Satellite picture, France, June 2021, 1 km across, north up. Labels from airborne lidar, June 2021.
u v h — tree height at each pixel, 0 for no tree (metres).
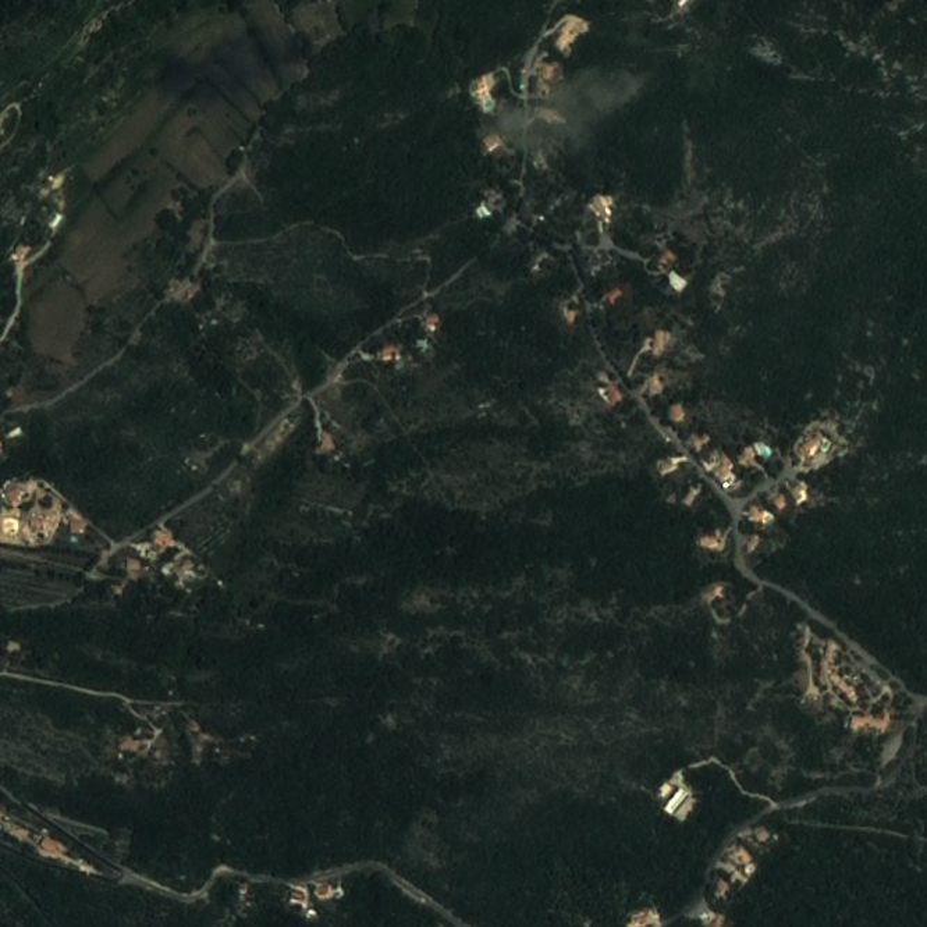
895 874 9
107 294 0
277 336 6
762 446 0
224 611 6
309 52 9
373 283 7
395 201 9
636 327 12
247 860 6
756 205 6
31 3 12
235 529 0
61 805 7
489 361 5
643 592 7
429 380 0
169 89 0
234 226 7
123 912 6
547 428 6
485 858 7
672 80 6
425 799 7
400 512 8
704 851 6
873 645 9
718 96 8
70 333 0
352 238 5
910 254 9
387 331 7
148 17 13
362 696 6
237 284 9
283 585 11
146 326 7
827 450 0
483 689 7
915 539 5
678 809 0
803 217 6
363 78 6
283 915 11
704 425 6
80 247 0
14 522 0
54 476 5
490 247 7
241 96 0
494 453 0
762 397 5
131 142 0
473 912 6
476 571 9
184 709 6
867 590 5
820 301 6
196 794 9
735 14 7
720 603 9
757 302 7
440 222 7
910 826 8
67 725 6
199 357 6
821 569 7
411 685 6
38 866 6
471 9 8
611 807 6
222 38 0
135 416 6
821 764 6
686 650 6
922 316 6
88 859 9
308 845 7
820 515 6
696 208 0
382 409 7
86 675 8
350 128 5
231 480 0
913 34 8
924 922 7
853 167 8
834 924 8
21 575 0
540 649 7
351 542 9
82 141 0
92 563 10
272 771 7
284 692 6
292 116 6
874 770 6
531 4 5
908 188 6
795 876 8
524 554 7
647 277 6
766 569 9
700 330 5
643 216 6
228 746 6
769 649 6
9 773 5
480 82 0
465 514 9
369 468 6
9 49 8
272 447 0
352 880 12
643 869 8
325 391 0
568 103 9
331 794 7
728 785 7
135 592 8
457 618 7
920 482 5
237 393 7
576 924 7
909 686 5
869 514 6
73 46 0
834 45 6
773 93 6
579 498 8
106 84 9
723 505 6
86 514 6
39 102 8
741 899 8
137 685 6
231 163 10
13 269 7
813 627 6
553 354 8
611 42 7
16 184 7
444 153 8
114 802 6
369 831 6
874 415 6
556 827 7
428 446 7
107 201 0
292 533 7
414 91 6
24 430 7
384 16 6
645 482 7
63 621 9
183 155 0
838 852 6
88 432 6
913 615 8
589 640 9
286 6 7
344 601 8
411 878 7
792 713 7
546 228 5
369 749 8
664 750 6
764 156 6
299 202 7
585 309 6
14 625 9
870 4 7
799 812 9
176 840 6
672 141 6
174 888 6
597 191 7
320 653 6
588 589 7
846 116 6
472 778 7
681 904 8
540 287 6
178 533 9
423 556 7
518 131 9
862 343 6
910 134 6
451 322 7
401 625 7
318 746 7
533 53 0
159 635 6
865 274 6
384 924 11
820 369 7
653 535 8
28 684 6
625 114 7
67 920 9
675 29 6
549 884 6
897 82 7
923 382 6
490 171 6
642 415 7
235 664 6
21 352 6
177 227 6
